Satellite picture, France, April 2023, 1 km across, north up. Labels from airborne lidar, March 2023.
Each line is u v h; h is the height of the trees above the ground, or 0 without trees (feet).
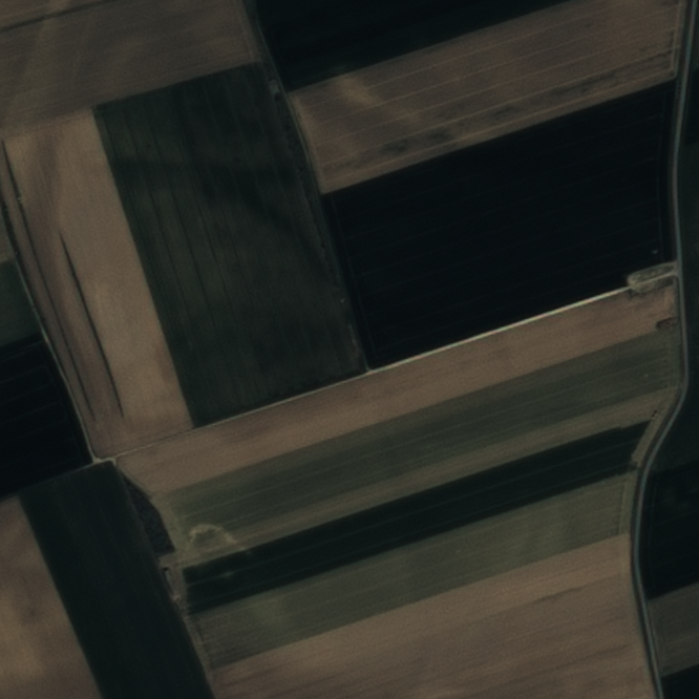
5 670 0
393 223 0
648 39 0
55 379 0
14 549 0
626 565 0
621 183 0
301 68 0
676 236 0
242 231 0
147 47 0
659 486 0
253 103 0
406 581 0
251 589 0
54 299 0
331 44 0
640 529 0
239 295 0
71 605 0
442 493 0
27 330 0
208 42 0
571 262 0
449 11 0
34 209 0
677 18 0
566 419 0
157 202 0
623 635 0
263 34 0
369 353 0
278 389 0
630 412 0
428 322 0
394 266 0
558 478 0
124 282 0
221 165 0
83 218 0
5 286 0
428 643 0
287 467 0
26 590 0
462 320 0
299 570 0
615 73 0
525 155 0
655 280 0
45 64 0
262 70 0
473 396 0
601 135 0
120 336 0
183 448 0
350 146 0
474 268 0
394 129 0
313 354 0
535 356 0
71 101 0
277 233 0
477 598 0
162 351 0
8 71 0
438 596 0
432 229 0
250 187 0
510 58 0
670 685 0
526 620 0
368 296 0
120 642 0
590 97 0
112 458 0
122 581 0
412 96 0
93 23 0
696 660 0
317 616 0
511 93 0
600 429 0
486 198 0
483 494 0
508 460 0
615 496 0
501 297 0
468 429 0
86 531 0
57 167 0
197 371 0
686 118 0
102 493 0
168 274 0
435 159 0
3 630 0
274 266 0
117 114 0
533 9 0
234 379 0
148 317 0
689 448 0
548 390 0
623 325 0
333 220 0
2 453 0
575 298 0
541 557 0
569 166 0
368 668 0
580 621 0
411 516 0
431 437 0
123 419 0
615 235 0
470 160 0
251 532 0
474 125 0
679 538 0
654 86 0
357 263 0
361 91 0
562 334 0
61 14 0
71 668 0
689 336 0
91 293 0
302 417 0
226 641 0
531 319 0
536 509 0
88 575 0
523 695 0
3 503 0
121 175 0
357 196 0
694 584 0
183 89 0
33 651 0
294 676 0
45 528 0
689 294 0
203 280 0
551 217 0
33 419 0
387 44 0
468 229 0
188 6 0
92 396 0
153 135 0
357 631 0
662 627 0
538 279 0
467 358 0
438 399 0
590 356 0
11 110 0
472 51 0
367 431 0
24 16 0
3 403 0
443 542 0
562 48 0
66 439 0
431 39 0
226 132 0
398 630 0
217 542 0
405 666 0
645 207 0
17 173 0
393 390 0
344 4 0
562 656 0
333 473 0
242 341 0
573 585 0
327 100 0
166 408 0
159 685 0
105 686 0
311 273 0
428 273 0
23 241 0
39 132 0
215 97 0
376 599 0
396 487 0
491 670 0
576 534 0
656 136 0
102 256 0
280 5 0
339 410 0
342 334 0
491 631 0
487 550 0
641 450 0
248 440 0
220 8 0
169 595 0
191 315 0
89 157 0
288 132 22
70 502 0
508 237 0
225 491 0
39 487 0
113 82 0
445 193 0
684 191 0
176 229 0
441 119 0
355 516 0
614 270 0
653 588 0
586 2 0
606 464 0
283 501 0
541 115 0
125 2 0
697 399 0
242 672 0
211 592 0
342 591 0
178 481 0
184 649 0
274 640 0
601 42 0
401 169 0
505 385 0
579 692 0
